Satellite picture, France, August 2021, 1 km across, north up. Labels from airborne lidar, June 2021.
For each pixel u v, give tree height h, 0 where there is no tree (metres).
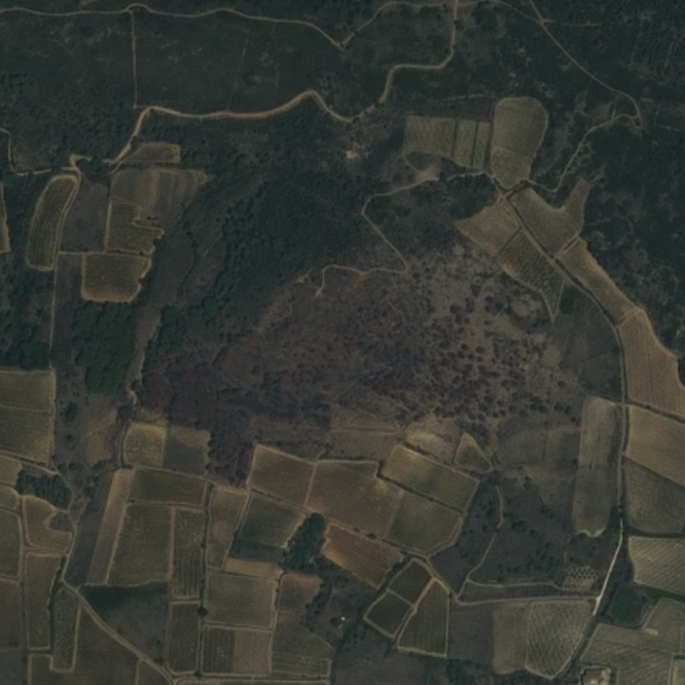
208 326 10
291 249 8
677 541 0
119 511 0
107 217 0
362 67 0
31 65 0
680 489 0
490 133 0
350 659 0
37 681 0
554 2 0
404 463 0
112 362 10
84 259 0
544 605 0
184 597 0
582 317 0
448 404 8
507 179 0
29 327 10
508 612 0
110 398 0
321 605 8
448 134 0
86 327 12
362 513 0
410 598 0
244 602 0
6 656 0
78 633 0
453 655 0
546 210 0
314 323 0
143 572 0
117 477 0
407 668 0
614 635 0
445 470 0
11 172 7
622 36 0
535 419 0
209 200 8
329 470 0
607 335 0
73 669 0
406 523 0
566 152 0
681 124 0
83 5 0
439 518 0
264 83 0
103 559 0
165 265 0
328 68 0
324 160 0
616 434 0
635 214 0
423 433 0
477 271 0
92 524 0
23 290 6
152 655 0
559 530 0
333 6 9
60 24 0
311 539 8
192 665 0
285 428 0
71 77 0
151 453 0
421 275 0
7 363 11
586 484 0
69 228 0
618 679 0
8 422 0
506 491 0
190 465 0
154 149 0
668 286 0
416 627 0
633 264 0
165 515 0
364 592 0
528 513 0
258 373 9
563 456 0
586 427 0
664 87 0
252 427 0
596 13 7
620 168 0
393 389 7
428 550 0
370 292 0
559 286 0
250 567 0
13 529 0
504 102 0
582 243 0
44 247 0
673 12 7
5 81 11
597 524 0
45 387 0
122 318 7
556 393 0
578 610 0
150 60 0
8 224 7
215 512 0
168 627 0
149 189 0
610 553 0
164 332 11
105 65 0
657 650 0
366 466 0
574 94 0
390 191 0
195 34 0
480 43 0
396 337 0
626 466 0
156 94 0
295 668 0
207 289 0
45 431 0
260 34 0
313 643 0
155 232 0
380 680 0
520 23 0
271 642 0
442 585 0
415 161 0
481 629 0
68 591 0
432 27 0
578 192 0
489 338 0
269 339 0
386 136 0
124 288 0
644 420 0
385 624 0
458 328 0
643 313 0
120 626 0
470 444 0
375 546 0
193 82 0
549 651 0
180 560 0
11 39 0
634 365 0
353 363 0
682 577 0
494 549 0
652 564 0
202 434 0
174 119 0
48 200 0
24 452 0
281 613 0
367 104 0
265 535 0
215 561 0
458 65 0
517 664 0
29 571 0
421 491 0
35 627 0
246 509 0
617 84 0
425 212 0
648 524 0
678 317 0
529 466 0
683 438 0
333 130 0
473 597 0
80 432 0
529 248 0
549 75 0
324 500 0
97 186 0
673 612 0
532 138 0
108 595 0
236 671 0
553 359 0
